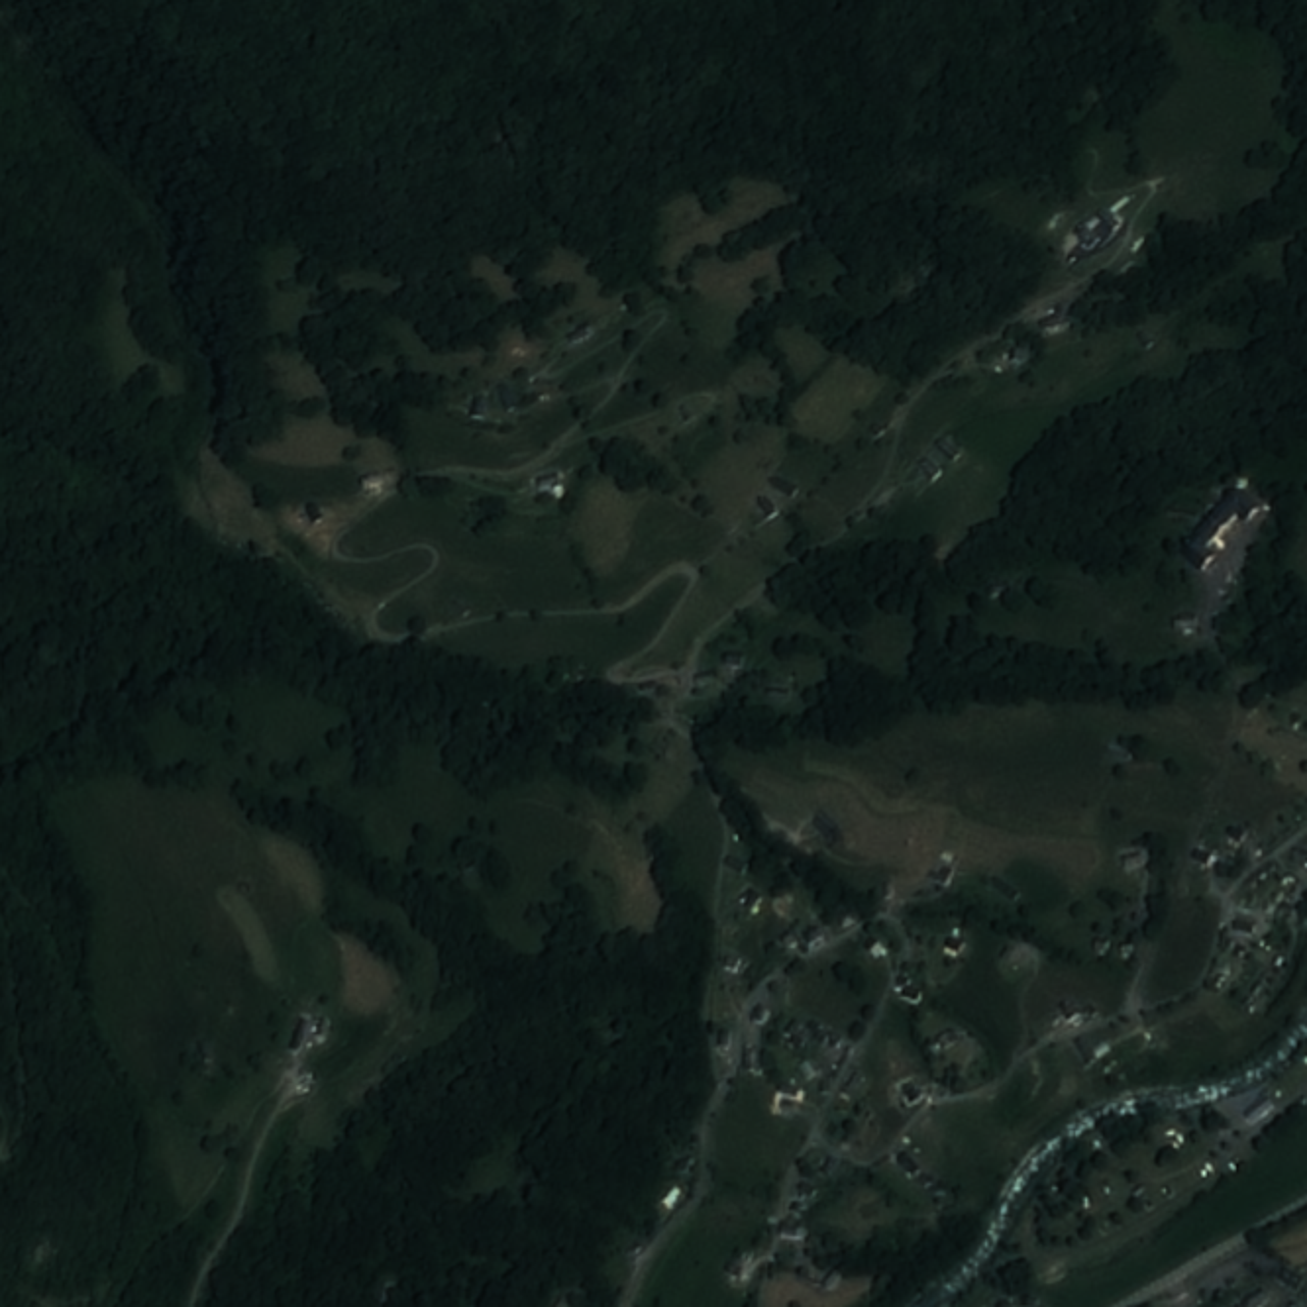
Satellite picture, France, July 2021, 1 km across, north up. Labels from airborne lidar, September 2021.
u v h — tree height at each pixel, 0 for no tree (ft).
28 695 54
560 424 0
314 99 80
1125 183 0
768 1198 29
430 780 0
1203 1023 0
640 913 0
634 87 86
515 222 71
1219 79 0
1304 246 62
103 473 62
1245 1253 0
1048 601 82
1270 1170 0
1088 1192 60
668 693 43
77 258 73
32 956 65
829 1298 0
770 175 59
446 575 0
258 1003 0
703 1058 62
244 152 88
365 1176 34
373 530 0
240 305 63
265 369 28
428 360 0
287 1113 0
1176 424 83
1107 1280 0
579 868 45
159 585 57
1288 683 81
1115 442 66
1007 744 0
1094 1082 0
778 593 87
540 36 94
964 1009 0
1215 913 0
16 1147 18
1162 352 0
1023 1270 70
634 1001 68
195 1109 0
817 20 75
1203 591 0
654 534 0
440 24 94
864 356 76
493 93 99
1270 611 24
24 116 101
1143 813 0
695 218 0
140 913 0
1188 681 65
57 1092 37
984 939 0
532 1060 83
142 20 61
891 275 77
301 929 0
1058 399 0
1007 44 69
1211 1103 35
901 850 0
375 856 29
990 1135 0
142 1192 46
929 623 63
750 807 53
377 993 0
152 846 0
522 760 62
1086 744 0
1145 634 0
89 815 0
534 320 58
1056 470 96
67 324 79
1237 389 75
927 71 75
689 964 57
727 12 92
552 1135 81
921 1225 21
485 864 59
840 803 0
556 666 37
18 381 55
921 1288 35
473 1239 87
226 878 0
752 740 71
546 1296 40
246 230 49
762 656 0
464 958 71
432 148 86
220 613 44
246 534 0
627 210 80
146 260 103
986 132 75
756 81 57
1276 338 88
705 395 0
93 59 42
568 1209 74
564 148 82
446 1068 96
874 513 35
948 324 84
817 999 0
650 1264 0
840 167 70
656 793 0
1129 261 0
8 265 63
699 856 0
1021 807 0
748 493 0
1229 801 0
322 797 62
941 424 0
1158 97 71
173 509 48
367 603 0
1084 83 54
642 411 0
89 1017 37
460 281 77
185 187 64
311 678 89
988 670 82
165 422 70
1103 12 49
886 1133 0
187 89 91
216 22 76
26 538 64
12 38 53
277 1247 65
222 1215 59
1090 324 59
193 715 61
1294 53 50
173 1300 45
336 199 66
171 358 57
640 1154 52
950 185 73
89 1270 42
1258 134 0
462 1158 59
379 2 89
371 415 66
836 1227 0
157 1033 0
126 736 71
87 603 63
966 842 0
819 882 70
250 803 49
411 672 98
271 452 0
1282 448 63
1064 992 0
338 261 69
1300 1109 48
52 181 60
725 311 0
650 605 0
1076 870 0
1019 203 0
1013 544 87
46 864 63
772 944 30
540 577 0
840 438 0
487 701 77
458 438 0
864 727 80
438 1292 51
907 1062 0
